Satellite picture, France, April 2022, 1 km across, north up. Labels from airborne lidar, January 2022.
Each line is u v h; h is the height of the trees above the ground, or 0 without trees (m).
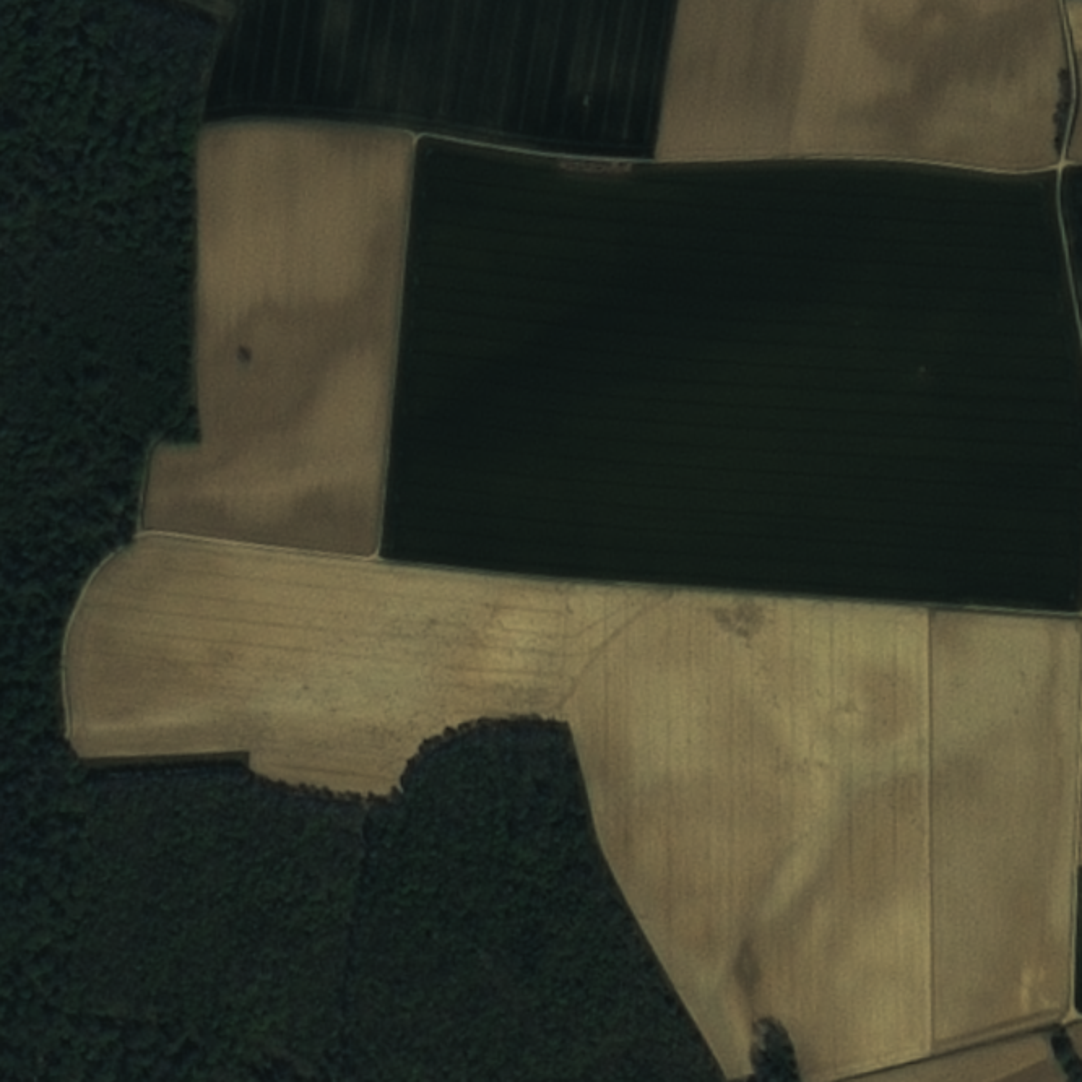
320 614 0
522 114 0
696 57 0
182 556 0
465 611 0
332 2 0
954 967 0
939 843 0
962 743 0
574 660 0
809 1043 0
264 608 0
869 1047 0
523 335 0
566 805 26
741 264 0
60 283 11
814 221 0
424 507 0
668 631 0
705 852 0
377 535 0
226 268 0
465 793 25
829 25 0
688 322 0
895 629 0
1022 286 0
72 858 8
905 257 0
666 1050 18
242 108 0
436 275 0
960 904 0
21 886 26
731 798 0
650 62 0
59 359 9
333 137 0
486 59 0
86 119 22
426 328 0
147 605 0
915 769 0
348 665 0
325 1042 22
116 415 8
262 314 0
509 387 0
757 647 0
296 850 19
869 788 0
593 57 0
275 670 0
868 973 0
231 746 0
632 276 0
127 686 0
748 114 0
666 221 0
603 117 0
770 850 0
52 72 23
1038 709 0
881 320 0
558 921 20
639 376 0
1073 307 0
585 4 0
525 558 0
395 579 0
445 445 0
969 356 0
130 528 19
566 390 0
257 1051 8
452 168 0
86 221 11
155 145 20
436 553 0
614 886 13
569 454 0
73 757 19
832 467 0
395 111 0
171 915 20
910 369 0
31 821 24
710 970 0
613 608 0
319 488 0
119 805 20
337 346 0
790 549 0
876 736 0
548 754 28
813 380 0
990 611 0
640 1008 21
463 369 0
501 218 0
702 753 0
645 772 0
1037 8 0
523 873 22
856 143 0
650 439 0
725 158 0
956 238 0
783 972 0
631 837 0
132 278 10
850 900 0
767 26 0
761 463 0
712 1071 17
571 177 0
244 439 0
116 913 19
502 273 0
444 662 0
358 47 0
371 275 0
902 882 0
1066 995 0
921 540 0
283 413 0
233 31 0
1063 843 0
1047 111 0
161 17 23
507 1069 24
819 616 0
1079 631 0
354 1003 31
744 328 0
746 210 0
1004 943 0
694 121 0
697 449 0
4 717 25
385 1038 21
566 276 0
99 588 0
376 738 0
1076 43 0
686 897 0
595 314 0
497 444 0
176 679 0
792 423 0
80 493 6
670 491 0
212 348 0
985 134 0
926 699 0
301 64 0
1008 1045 0
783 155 0
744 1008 0
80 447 10
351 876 25
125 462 6
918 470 0
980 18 0
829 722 0
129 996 19
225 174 0
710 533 0
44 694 21
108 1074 34
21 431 12
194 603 0
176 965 20
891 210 0
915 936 0
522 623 0
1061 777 0
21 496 7
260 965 27
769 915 0
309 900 26
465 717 0
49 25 23
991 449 0
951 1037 0
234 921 21
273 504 0
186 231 22
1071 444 0
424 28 0
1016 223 0
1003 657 0
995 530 0
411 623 0
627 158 0
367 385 0
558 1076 25
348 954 21
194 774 17
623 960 23
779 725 0
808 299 0
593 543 0
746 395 0
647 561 0
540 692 0
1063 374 0
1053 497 0
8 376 12
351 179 0
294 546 0
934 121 0
